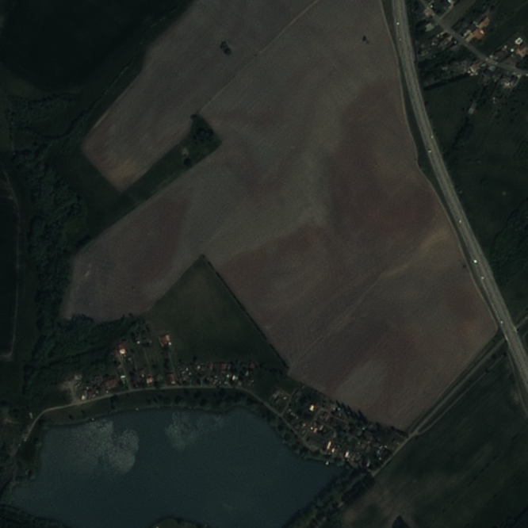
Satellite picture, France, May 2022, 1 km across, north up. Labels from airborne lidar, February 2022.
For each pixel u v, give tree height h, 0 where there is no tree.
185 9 0
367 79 0
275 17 0
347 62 0
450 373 0
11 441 0
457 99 0
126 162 0
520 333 0
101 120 0
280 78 0
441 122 0
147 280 0
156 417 0
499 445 0
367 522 0
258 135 0
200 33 0
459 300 0
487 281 0
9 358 0
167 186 0
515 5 0
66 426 0
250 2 0
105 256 0
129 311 0
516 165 0
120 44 0
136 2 0
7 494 17
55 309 17
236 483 0
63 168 0
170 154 0
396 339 0
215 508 0
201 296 0
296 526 12
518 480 0
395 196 0
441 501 0
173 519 0
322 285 0
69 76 0
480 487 0
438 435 0
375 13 0
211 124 0
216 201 0
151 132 0
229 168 0
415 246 0
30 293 0
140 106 0
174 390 0
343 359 0
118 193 0
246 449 0
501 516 0
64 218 13
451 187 0
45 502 0
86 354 17
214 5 0
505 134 0
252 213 0
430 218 0
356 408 0
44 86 0
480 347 0
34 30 0
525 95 0
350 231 0
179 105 0
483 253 0
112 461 0
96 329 6
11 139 10
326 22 0
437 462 0
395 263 0
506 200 0
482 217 0
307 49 0
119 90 0
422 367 0
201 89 0
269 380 0
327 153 0
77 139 9
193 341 0
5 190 0
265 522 0
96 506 0
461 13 0
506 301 0
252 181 0
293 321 0
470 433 0
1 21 0
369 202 0
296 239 0
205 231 0
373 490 0
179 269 0
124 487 0
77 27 0
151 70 0
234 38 0
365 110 0
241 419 0
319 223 0
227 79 0
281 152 0
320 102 0
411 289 0
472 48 0
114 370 0
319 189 0
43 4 0
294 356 0
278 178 0
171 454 0
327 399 0
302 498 0
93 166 0
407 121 0
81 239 0
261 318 0
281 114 0
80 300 0
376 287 0
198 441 0
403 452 0
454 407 0
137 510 0
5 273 0
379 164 0
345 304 0
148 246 0
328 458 13
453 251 0
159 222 0
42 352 22
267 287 0
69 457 0
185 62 0
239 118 0
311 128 0
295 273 0
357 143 0
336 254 0
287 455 0
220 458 0
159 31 0
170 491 0
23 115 15
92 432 0
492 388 0
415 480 0
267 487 0
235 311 0
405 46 0
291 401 0
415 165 0
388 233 0
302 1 0
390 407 0
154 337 0
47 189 24
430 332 0
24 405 0
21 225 0
